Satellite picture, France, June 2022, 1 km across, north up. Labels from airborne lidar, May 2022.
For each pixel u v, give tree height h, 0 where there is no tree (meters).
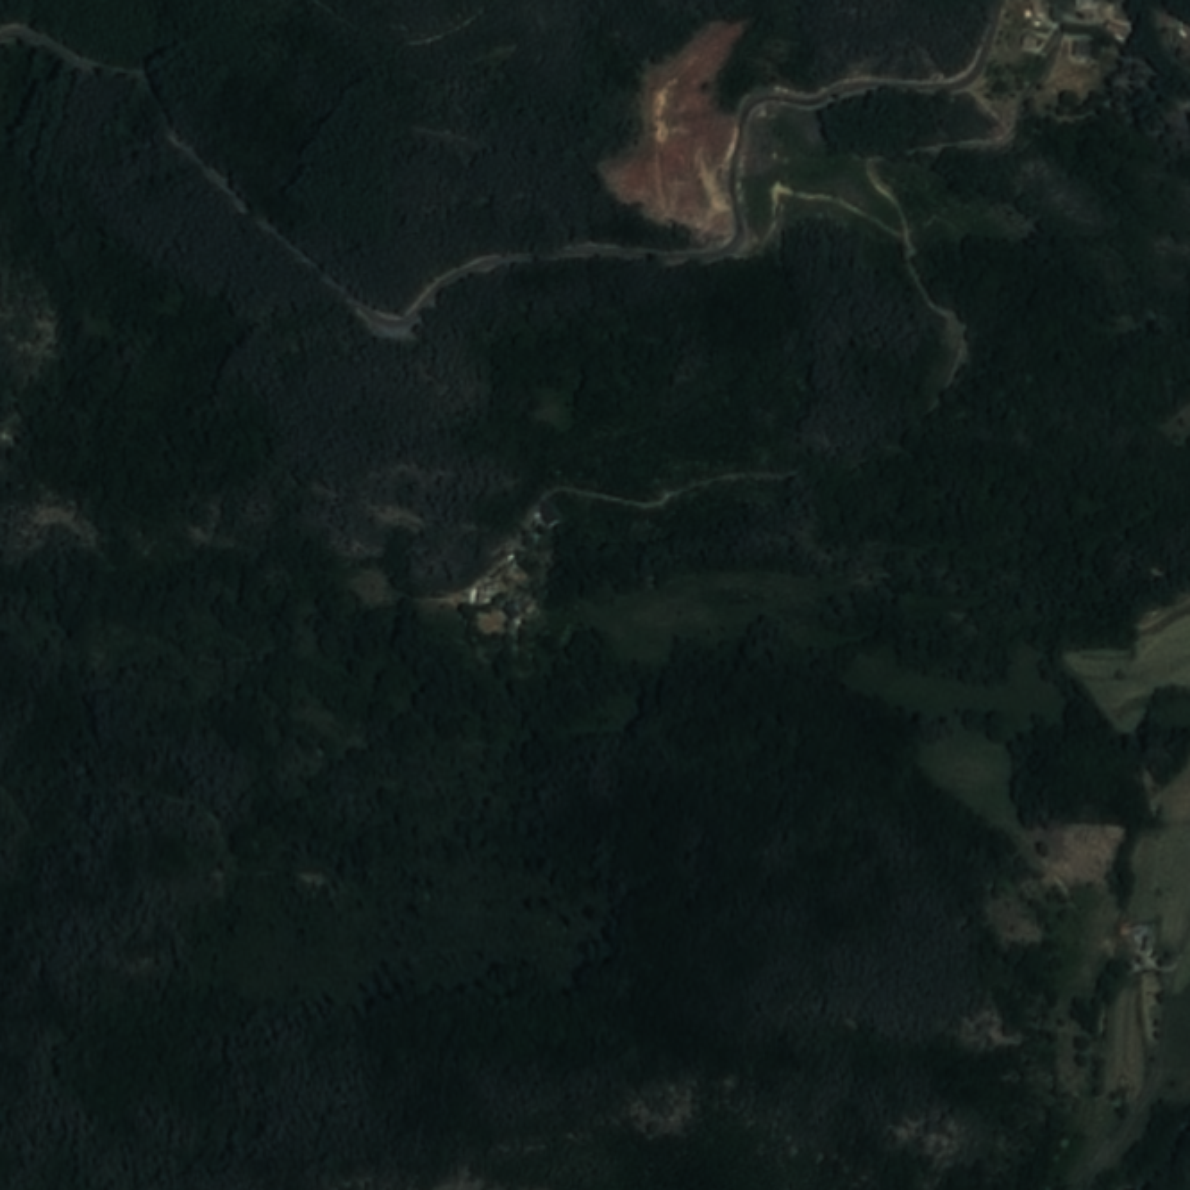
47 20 17
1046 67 0
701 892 19
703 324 16
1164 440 14
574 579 15
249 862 10
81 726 11
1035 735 11
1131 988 0
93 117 24
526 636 10
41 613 9
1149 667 0
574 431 9
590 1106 13
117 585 23
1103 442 10
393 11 6
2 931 15
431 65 10
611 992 23
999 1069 18
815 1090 16
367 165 29
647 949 17
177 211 23
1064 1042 0
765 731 24
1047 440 11
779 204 0
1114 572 20
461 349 19
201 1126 17
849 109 28
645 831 9
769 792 22
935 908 24
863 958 22
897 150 24
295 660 13
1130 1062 0
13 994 20
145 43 16
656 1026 19
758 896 22
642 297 19
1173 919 0
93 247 20
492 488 14
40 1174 15
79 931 17
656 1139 11
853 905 22
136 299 10
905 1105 20
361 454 22
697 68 0
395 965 18
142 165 21
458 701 20
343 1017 25
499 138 18
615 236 15
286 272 22
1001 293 10
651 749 21
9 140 21
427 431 15
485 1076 17
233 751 12
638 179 0
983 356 5
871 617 13
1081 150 12
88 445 8
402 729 18
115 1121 16
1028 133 10
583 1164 8
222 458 8
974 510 15
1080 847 0
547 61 8
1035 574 15
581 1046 22
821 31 8
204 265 24
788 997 17
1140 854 0
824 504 15
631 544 7
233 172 14
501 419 15
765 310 18
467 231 21
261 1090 23
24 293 7
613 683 24
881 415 18
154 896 13
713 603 0
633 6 12
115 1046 15
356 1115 22
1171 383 11
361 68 13
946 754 0
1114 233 8
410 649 26
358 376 15
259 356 19
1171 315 14
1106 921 0
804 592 0
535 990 26
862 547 6
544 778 13
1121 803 12
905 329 17
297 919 6
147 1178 12
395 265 20
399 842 10
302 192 30
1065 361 20
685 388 7
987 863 13
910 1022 18
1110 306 18
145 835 24
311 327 13
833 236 18
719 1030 20
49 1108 24
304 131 14
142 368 11
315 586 8
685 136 0
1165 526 16
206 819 8
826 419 16
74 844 12
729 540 15
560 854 25
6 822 17
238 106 16
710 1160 17
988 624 11
